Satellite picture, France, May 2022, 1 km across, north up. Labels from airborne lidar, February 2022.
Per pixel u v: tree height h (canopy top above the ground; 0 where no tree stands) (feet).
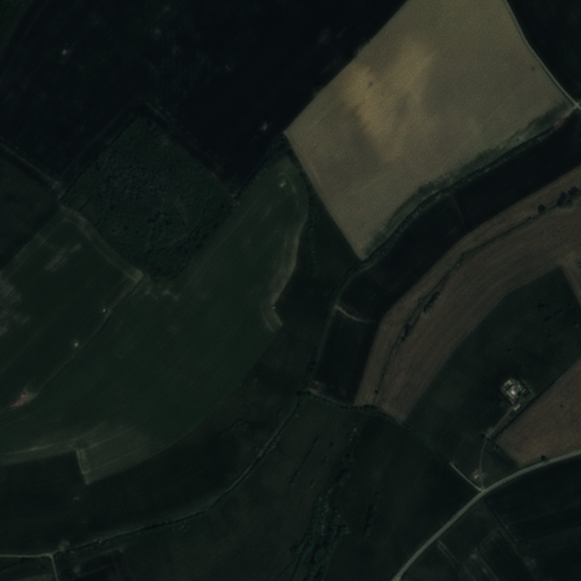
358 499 0
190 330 0
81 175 21
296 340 0
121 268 0
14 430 0
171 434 0
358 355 0
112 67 0
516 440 0
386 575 0
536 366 0
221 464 0
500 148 0
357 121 0
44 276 0
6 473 0
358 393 0
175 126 0
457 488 0
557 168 0
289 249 0
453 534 0
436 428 0
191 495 0
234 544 0
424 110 0
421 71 0
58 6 0
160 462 0
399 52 0
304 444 0
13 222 0
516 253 0
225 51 0
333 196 0
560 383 0
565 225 0
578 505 0
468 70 0
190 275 0
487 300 0
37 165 0
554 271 0
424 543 0
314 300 0
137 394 0
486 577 0
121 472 0
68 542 0
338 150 0
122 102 0
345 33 0
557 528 0
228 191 0
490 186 0
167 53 0
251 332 0
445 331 0
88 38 0
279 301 0
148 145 17
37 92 0
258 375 0
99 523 0
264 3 0
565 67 0
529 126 0
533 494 0
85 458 0
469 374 0
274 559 0
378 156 0
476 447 0
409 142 0
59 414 0
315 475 0
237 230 0
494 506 0
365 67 0
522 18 0
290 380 0
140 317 0
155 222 37
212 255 0
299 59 0
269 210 0
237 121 0
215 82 0
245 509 0
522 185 0
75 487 0
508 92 0
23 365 0
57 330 0
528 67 0
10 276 0
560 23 0
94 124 0
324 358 0
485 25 0
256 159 0
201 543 0
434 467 0
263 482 0
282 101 0
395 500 0
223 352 0
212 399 0
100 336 0
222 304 0
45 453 0
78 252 0
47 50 0
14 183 0
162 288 0
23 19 0
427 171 0
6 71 0
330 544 39
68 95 0
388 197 0
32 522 0
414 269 0
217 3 0
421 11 0
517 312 0
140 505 0
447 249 0
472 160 0
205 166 0
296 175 0
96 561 0
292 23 0
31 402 0
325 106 0
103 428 0
